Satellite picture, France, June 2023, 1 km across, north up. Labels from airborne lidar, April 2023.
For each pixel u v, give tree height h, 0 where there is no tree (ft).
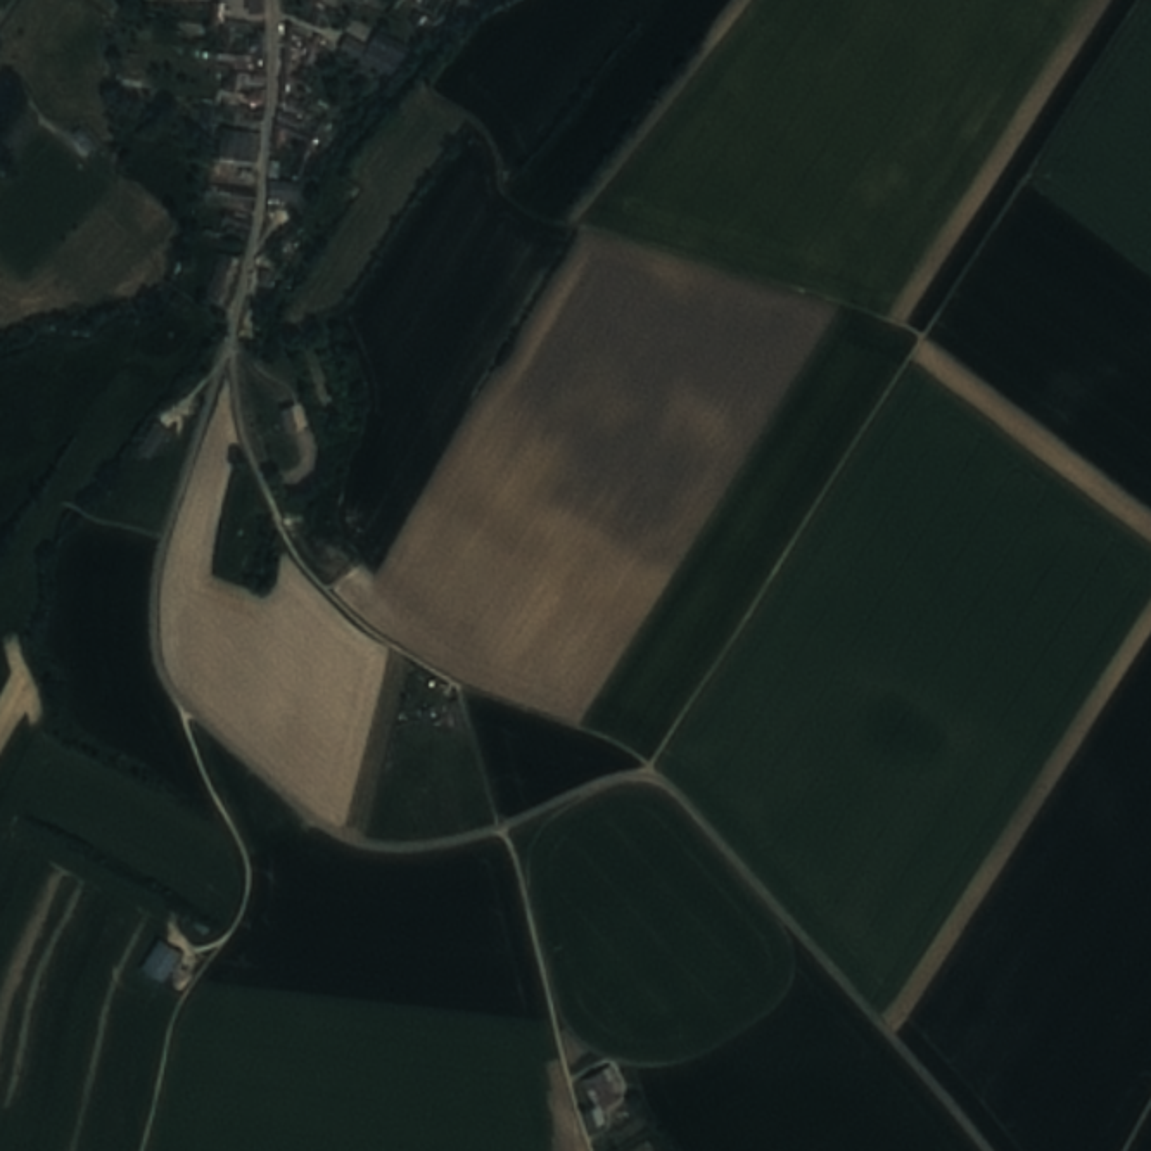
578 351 0
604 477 0
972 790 0
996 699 0
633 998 0
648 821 0
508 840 0
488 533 0
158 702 0
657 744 0
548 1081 0
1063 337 0
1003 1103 0
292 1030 0
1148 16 0
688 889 0
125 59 0
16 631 0
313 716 0
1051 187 0
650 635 0
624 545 0
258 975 0
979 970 0
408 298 0
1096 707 0
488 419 0
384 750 0
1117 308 0
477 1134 0
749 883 0
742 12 0
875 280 0
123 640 0
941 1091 0
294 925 0
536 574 0
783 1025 0
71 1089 0
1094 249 0
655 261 0
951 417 0
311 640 0
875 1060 0
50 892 0
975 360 0
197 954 0
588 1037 0
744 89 0
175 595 0
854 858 0
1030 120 0
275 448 0
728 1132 0
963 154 0
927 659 0
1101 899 0
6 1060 0
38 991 0
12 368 0
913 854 0
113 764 24
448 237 0
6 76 45
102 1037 0
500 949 0
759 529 0
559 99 0
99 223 0
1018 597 0
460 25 54
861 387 0
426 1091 0
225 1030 0
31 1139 0
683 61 30
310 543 0
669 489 0
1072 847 0
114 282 0
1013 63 0
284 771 0
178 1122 0
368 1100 0
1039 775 0
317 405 60
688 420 0
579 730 0
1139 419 0
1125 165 0
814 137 0
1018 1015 0
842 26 0
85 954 0
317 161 28
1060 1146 0
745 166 0
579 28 0
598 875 0
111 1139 0
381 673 0
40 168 0
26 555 0
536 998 0
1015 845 0
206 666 0
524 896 0
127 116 62
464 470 0
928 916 0
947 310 0
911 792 0
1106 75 0
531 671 0
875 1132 0
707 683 0
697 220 0
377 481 0
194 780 0
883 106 0
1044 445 0
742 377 0
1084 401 0
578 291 0
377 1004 0
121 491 0
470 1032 0
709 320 0
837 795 0
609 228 0
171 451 0
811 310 0
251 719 0
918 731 0
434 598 0
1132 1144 0
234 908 0
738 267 0
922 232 0
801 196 0
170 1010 0
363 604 0
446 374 0
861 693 0
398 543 0
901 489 0
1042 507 0
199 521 0
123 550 0
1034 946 0
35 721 0
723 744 0
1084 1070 0
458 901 0
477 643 0
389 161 0
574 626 0
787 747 0
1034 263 0
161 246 0
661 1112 0
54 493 0
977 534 0
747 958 0
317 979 0
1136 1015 0
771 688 0
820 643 0
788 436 0
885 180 0
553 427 0
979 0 0
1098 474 0
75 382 0
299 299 0
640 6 0
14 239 0
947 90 0
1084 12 0
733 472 0
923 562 0
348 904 0
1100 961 0
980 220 0
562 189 0
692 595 0
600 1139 0
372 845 0
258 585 39
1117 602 0
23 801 0
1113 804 0
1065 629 0
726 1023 0
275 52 0
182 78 26
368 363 0
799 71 0
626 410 0
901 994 0
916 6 0
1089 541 0
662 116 0
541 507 0
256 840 0
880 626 0
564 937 0
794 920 0
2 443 0
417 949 0
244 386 0
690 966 0
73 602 0
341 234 0
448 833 0
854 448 0
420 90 0
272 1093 0
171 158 0
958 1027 0
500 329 0
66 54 0
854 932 0
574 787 0
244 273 0
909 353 0
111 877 0
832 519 0
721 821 0
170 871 0
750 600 0
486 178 0
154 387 0
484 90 0
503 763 0
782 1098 0
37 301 0
